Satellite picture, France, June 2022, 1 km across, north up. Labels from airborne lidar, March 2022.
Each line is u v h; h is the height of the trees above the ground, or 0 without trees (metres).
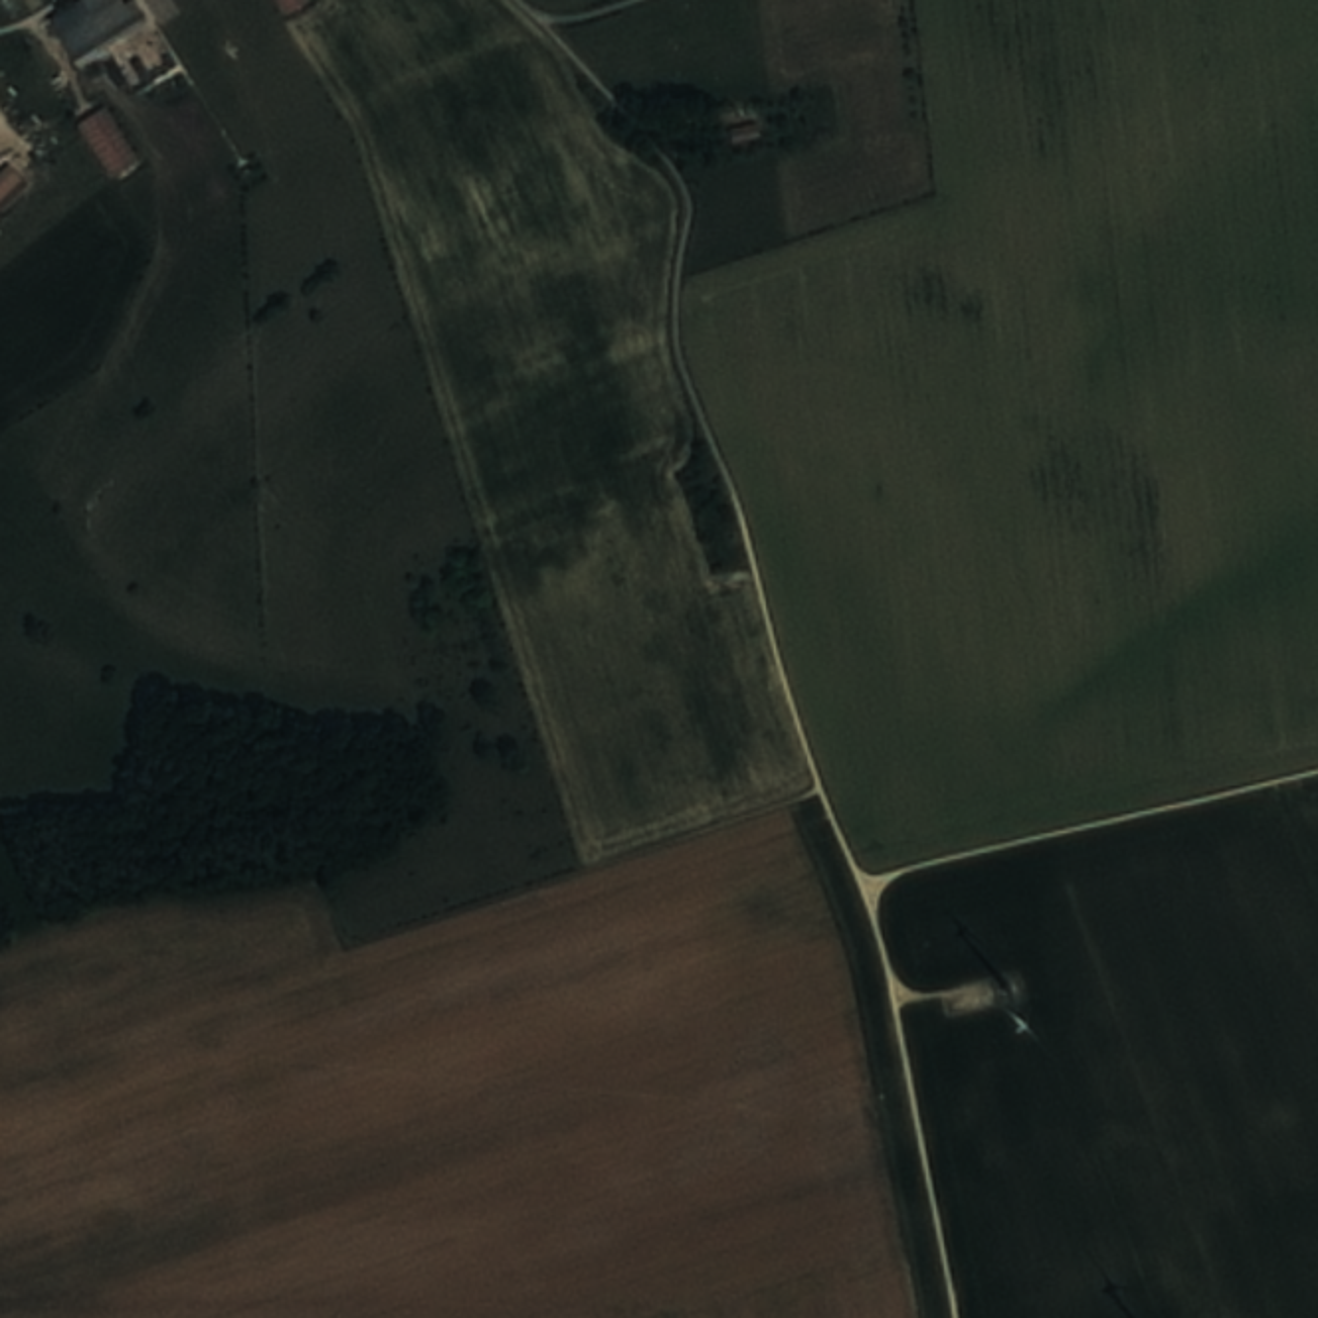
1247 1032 0
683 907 0
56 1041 0
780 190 0
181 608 0
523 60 0
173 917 0
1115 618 0
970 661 0
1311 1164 0
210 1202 0
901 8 0
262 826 19
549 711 0
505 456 0
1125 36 0
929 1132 0
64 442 0
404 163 0
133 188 0
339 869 18
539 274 0
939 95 0
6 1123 0
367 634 0
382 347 0
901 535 0
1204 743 0
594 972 0
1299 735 0
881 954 0
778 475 0
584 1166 0
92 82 0
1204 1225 0
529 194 0
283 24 0
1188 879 0
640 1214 0
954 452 0
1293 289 0
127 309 0
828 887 0
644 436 0
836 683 0
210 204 0
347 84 0
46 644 10
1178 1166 0
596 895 0
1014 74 0
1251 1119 0
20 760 0
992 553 0
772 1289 0
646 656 0
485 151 0
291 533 0
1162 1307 0
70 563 0
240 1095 0
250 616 0
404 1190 0
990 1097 0
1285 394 0
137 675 0
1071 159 0
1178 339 0
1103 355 0
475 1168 0
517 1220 0
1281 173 0
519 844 0
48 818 21
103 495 0
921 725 0
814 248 0
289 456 0
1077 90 0
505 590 0
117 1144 0
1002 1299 0
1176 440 0
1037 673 0
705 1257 0
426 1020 0
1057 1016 0
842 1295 0
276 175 0
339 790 27
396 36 0
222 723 31
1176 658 0
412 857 0
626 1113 0
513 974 0
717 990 0
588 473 0
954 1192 0
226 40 0
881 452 0
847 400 0
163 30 0
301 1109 0
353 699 0
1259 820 0
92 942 0
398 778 10
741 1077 0
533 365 0
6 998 0
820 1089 0
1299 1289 0
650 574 0
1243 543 0
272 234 0
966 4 0
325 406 0
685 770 0
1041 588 0
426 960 0
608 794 0
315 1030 0
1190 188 0
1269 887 0
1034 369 0
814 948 0
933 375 0
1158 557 0
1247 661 0
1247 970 0
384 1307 0
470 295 0
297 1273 0
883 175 0
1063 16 0
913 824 0
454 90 0
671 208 0
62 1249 0
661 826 0
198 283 0
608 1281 0
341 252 0
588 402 0
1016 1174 0
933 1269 0
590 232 0
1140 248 0
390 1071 0
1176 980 0
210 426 0
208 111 0
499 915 0
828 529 0
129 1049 0
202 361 0
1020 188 0
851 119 0
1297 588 0
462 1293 0
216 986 0
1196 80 0
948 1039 0
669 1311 0
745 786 0
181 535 0
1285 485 0
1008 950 0
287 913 0
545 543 0
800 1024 0
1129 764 0
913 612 0
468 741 0
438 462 0
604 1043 0
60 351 0
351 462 0
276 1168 0
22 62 0
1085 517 0
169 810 21
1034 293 0
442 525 0
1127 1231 0
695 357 0
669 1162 0
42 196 0
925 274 0
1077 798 0
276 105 0
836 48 0
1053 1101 0
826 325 0
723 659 0
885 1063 0
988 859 0
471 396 0
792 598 0
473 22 0
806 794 0
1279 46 0
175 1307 0
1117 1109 0
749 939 0
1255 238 0
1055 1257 0
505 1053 0
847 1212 0
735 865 0
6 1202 0
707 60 0
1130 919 0
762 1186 0
